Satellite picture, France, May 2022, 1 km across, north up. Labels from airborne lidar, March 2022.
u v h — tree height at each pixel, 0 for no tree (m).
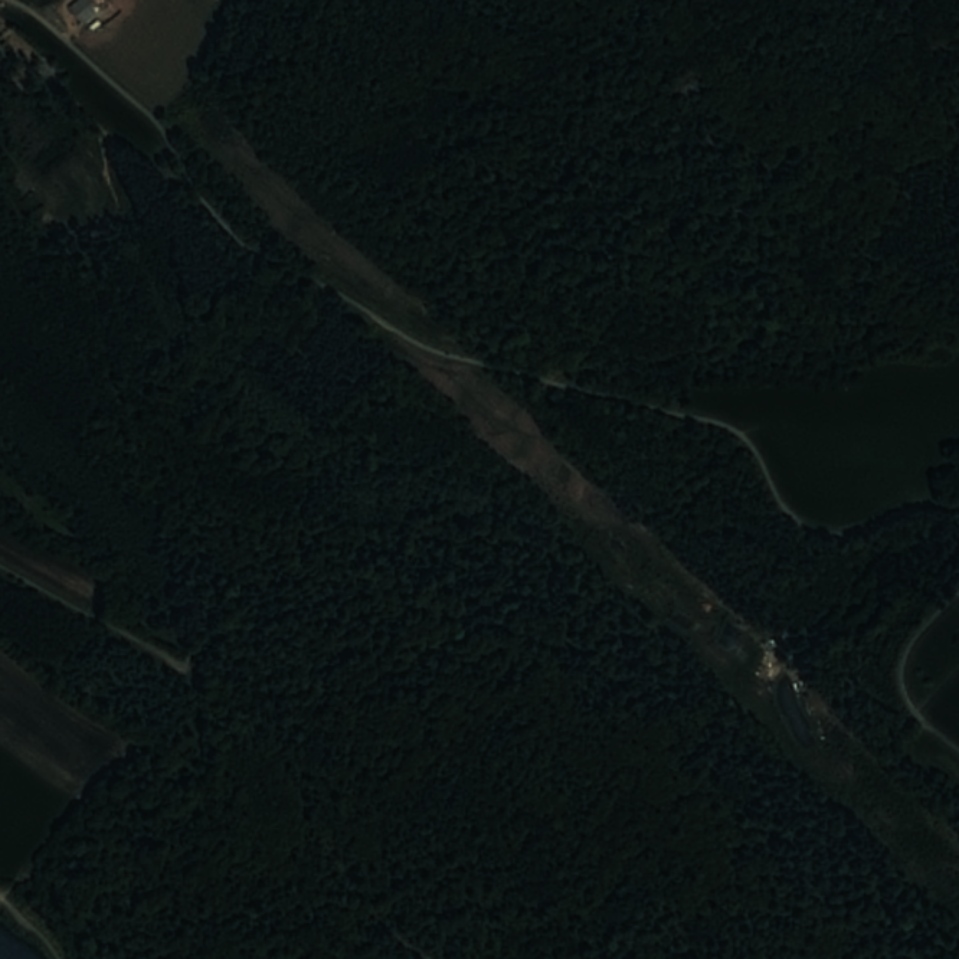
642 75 15
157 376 27
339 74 14
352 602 25
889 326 21
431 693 20
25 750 0
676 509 20
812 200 14
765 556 17
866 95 14
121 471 11
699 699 25
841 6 17
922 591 13
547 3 17
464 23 18
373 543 24
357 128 16
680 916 17
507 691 22
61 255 17
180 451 19
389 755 21
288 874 14
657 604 0
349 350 21
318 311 26
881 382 0
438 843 12
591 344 10
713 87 12
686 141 15
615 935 29
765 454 0
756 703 0
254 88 13
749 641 0
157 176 25
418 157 16
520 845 8
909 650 0
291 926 7
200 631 23
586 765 16
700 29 13
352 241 16
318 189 17
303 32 17
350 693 21
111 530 9
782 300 17
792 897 15
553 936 11
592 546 0
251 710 21
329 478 22
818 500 0
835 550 15
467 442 13
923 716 0
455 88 11
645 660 29
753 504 18
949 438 0
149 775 27
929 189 13
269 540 19
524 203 14
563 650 32
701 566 15
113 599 24
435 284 23
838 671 20
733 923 14
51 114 33
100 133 19
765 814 30
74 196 0
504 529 26
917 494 0
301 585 24
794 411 0
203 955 18
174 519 15
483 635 28
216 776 17
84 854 24
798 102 17
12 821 0
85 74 0
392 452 17
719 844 23
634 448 14
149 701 12
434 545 16
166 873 13
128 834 30
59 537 12
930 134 16
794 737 0
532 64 13
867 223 19
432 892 18
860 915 36
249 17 22
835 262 14
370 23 17
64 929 10
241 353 31
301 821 18
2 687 0
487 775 14
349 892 9
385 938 27
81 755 0
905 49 16
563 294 17
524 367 12
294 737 22
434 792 15
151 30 0
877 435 0
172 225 24
